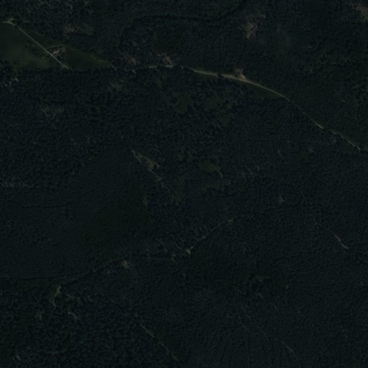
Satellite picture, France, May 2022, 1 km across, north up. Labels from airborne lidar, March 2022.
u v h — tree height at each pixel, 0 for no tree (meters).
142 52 22
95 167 25
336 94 13
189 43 22
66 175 15
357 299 23
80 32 8
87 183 22
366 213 30
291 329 25
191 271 13
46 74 19
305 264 30
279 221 21
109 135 31
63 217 22
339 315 18
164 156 24
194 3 19
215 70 25
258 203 29
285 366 24
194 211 32
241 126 26
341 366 19
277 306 27
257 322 26
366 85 21
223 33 12
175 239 14
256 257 21
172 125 24
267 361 26
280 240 27
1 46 0
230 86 27
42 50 0
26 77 23
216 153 27
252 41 12
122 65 28
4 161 30
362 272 23
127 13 26
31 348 27
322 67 10
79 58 0
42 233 21
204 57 20
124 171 24
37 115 31
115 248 21
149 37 20
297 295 25
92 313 33
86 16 20
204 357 22
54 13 23
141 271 21
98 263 13
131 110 26
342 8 20
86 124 30
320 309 23
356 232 26
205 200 30
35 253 19
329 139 19
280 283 22
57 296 0
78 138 31
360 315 22
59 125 29
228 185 0
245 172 25
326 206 24
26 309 32
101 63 0
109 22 25
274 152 23
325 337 29
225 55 24
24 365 23
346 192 32
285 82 17
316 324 24
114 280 18
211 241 13
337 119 10
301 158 28
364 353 22
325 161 25
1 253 20
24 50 0
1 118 40
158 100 26
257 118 28
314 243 26
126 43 15
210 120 25
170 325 15
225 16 18
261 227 21
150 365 36
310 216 29
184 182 0
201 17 13
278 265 27
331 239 28
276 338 24
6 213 17
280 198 21
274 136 23
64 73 22
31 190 20
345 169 25
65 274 17
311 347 26
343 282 24
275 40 14
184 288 16
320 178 27
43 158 28
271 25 15
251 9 19
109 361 13
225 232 14
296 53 13
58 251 22
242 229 20
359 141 14
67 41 23
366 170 26
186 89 28
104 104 18
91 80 28
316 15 13
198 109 28
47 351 18
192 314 12
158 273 22
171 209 32
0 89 36
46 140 32
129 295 25
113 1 24
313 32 12
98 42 23
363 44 21
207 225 24
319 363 16
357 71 25
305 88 11
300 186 27
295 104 15
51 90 14
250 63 16
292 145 19
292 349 23
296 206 18
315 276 32
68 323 27
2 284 16
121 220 17
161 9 22
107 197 22
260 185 29
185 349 20
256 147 25
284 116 21
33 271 23
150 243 26
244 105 25
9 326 13
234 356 23
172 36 19
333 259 24
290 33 12
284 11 17
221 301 15
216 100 0
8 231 17
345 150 27
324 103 13
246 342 22
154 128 32
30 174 26
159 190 23
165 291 13
